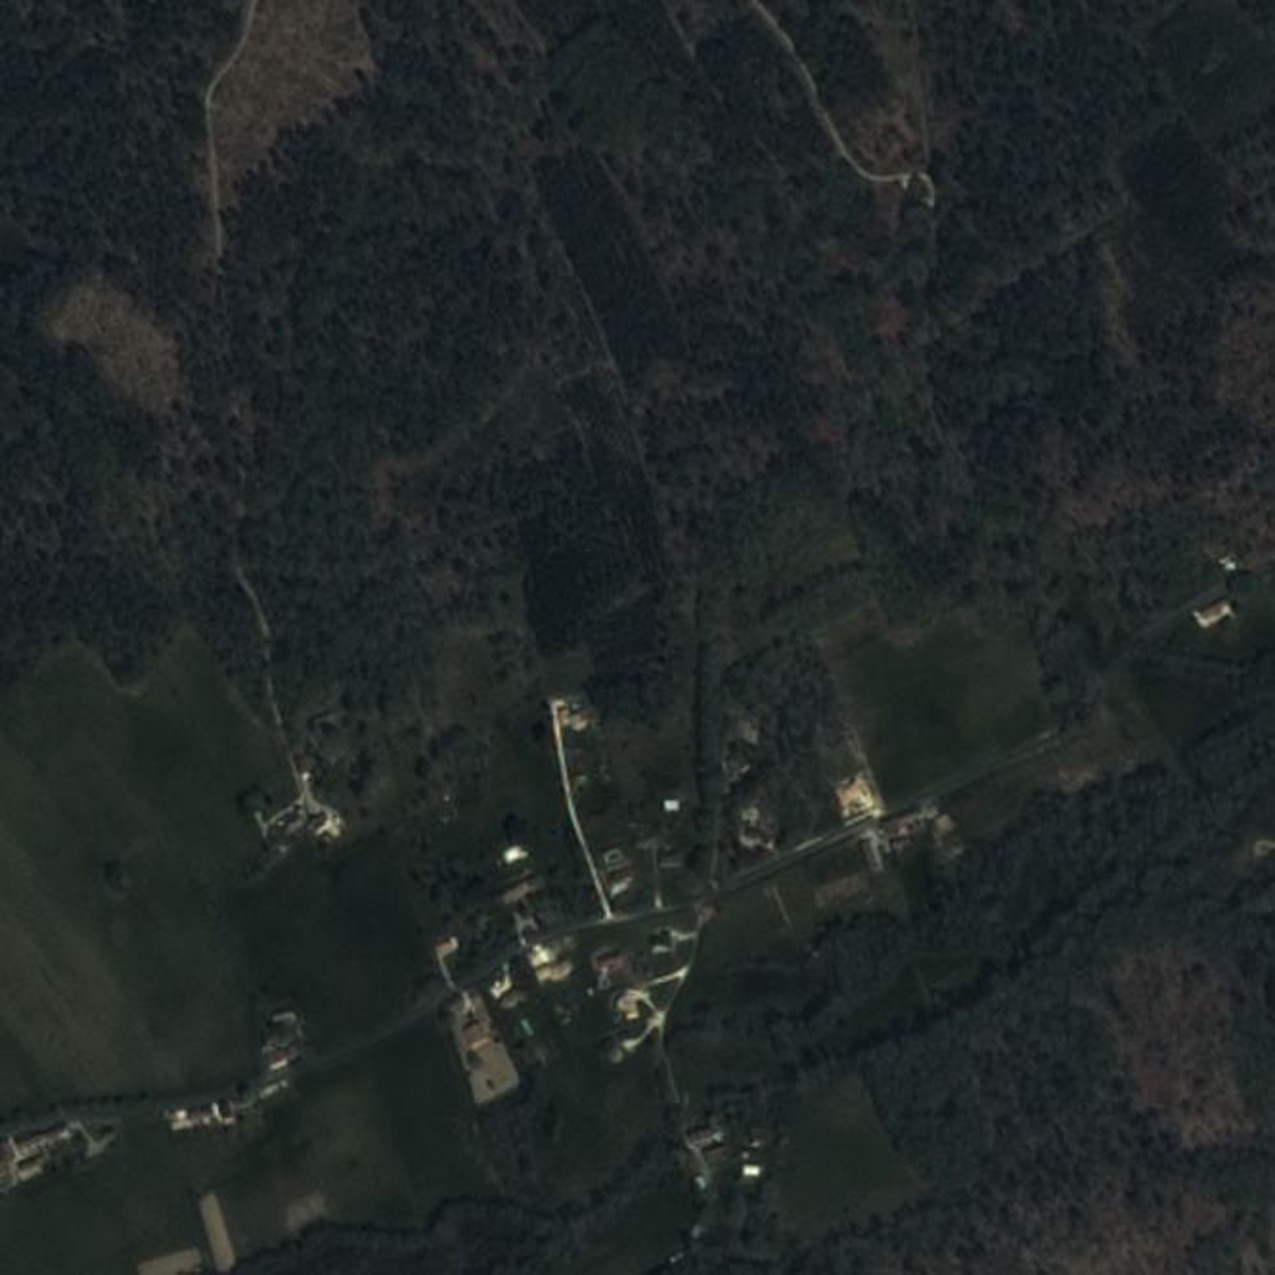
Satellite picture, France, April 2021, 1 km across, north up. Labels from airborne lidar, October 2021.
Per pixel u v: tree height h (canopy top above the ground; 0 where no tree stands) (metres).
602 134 22
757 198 21
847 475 15
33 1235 0
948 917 24
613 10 20
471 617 19
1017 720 0
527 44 12
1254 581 13
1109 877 8
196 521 17
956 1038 24
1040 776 0
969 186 19
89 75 13
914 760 0
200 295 23
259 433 8
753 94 21
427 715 23
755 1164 0
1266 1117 15
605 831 0
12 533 21
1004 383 12
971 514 18
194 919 0
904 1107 23
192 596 25
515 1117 13
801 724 8
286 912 0
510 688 14
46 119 9
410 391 22
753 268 9
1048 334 25
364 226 19
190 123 20
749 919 0
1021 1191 23
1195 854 12
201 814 0
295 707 16
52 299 16
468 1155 0
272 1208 0
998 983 24
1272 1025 13
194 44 22
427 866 11
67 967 0
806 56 24
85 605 26
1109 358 22
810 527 18
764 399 21
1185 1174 25
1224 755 20
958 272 27
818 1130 0
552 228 13
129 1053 0
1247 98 8
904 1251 22
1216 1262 19
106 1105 7
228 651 19
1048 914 0
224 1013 0
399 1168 0
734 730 16
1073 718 18
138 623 28
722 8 22
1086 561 24
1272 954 17
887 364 24
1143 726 0
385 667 25
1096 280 19
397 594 16
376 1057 0
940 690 0
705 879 21
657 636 7
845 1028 9
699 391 11
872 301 25
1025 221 17
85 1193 0
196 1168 0
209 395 24
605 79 26
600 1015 0
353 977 0
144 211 21
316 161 24
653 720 25
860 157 11
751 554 24
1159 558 24
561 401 10
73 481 23
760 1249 13
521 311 22
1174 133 7
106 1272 0
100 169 18
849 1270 19
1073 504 16
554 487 15
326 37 0
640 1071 0
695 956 0
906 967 14
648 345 14
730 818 9
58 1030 0
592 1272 0
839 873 0
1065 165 22
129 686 19
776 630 16
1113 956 19
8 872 0
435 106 14
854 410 14
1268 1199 17
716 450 10
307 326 27
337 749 20
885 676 0
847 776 0
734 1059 0
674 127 22
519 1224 18
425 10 19
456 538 20
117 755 0
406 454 23
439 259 21
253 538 22
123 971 0
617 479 7
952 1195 21
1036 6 18
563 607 8
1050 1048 17
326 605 25
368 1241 13
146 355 0
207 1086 0
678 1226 0
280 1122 0
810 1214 0
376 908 0
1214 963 15
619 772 0
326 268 26
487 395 19
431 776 24
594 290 14
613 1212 21
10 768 0
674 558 13
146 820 0
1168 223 7
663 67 21
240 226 21
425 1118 0
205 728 0
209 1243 0
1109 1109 12
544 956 0
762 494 13
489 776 9
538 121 12
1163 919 21
